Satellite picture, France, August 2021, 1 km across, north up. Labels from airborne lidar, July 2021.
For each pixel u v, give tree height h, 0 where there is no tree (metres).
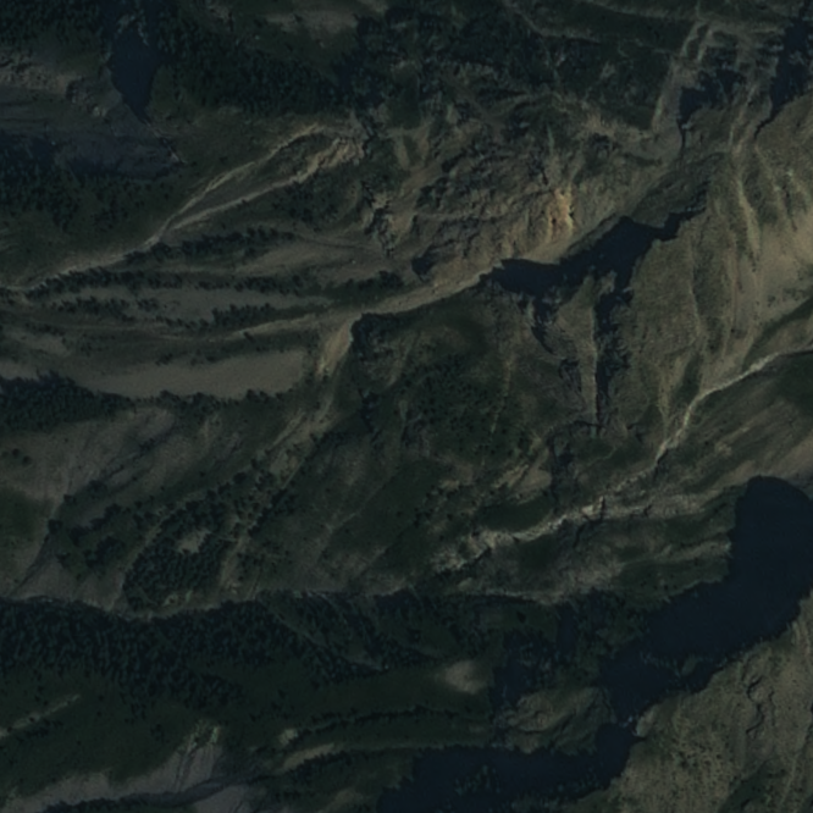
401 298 0
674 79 0
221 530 20
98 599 0
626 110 0
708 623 0
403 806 0
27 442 0
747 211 0
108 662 19
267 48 0
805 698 0
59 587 0
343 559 0
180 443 0
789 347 0
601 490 0
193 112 0
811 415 0
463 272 0
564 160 0
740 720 0
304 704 0
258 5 0
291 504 10
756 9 0
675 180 0
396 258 0
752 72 0
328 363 0
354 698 0
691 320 0
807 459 0
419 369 8
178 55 7
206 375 0
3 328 8
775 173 0
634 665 0
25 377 0
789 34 0
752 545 0
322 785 0
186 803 0
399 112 0
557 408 0
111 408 10
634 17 0
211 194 0
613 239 0
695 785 0
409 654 8
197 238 0
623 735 0
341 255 0
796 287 0
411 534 0
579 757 6
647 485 0
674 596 0
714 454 0
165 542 7
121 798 0
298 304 0
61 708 0
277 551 7
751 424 0
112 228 13
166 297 0
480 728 0
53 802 0
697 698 0
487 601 0
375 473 0
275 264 0
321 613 7
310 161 0
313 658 15
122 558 18
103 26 9
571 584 0
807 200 0
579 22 0
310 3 0
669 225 0
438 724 0
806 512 0
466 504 0
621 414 0
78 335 0
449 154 0
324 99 6
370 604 0
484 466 0
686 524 0
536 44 0
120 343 0
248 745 0
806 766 0
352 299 0
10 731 6
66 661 25
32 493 0
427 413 11
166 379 0
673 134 0
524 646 11
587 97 0
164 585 11
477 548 0
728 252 0
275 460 0
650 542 0
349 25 0
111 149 0
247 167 0
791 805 0
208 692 21
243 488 17
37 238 0
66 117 0
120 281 13
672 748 0
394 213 0
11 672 16
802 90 0
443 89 10
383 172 0
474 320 0
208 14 0
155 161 0
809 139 0
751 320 0
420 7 0
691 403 0
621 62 0
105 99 0
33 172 22
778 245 0
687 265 0
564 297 0
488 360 0
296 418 0
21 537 0
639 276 0
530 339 0
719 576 0
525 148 0
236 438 0
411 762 0
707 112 0
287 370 0
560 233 0
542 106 0
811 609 0
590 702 0
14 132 0
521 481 0
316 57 0
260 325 0
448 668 0
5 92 0
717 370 0
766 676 0
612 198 0
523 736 0
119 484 0
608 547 0
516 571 0
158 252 13
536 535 0
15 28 15
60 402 31
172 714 0
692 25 0
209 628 10
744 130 0
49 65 0
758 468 0
